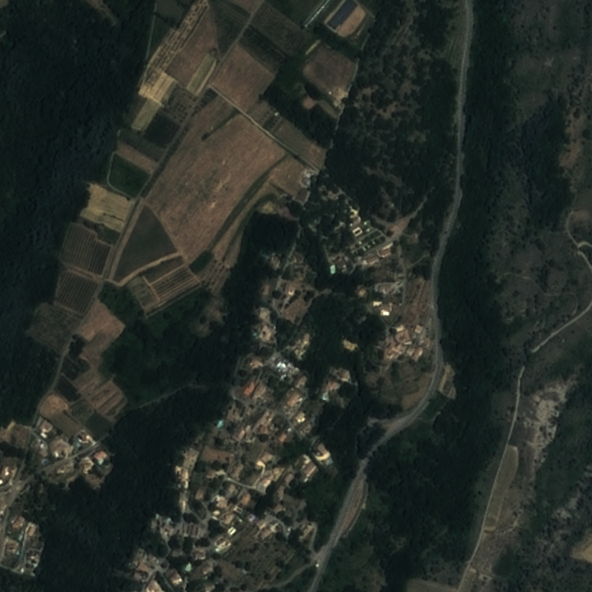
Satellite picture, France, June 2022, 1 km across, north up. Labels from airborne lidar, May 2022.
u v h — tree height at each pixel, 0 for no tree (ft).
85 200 41
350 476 36
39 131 60
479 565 0
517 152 46
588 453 27
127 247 0
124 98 66
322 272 45
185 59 0
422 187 38
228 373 41
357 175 38
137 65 23
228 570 0
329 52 0
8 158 49
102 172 31
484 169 45
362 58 33
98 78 91
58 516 52
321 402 22
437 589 0
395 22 24
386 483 45
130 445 29
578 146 0
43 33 50
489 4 36
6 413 22
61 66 57
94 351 0
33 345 35
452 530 32
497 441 26
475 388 73
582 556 0
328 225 37
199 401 62
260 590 29
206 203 0
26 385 40
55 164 80
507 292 0
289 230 48
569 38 25
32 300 51
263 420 0
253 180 0
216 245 0
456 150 44
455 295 65
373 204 32
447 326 42
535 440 0
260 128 0
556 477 0
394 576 54
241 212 0
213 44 0
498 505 0
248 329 41
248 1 0
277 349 24
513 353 19
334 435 36
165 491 46
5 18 55
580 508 24
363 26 0
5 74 62
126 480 47
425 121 29
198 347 48
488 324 73
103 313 0
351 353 54
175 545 49
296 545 37
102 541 43
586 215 0
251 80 0
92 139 77
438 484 59
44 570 51
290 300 20
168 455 41
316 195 42
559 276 0
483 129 52
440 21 33
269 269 40
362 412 39
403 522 44
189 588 48
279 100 41
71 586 46
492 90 19
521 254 0
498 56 21
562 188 22
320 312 40
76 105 91
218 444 41
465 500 57
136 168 0
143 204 0
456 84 29
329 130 28
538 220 25
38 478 30
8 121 77
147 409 24
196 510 25
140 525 51
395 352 0
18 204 42
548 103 23
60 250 24
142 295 0
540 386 31
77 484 60
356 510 0
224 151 0
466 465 45
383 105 35
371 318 33
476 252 50
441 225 33
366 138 25
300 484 21
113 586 47
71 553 31
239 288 60
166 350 24
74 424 0
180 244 0
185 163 0
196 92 0
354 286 52
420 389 0
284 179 0
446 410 33
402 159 32
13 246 48
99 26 73
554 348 0
